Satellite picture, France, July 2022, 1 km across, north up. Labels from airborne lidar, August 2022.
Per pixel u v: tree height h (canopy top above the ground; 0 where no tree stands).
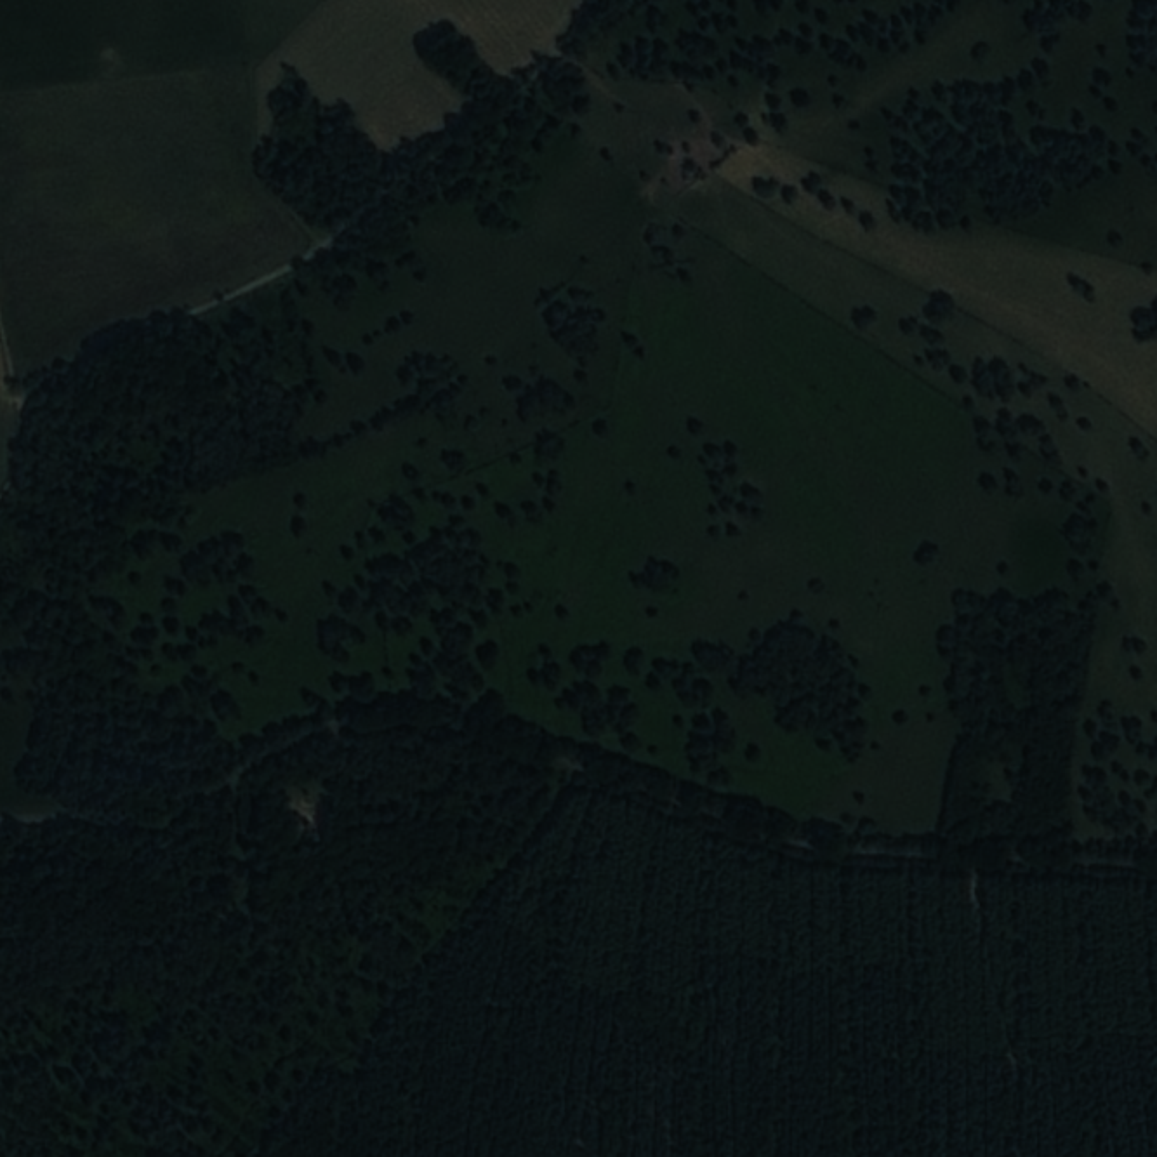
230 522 0
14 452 16
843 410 0
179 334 23
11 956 23
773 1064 10
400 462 0
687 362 0
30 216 0
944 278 0
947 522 0
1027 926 19
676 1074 14
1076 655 13
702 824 14
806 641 18
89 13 0
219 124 0
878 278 0
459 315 0
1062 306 0
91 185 0
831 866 20
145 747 29
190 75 0
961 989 22
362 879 22
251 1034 13
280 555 0
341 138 21
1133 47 15
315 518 0
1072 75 0
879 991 15
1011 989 18
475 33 0
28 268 0
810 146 0
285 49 0
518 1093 18
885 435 0
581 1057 14
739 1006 12
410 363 13
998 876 19
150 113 0
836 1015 16
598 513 0
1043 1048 18
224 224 0
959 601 14
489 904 13
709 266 0
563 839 21
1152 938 19
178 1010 14
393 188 16
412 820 20
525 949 11
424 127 0
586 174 0
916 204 18
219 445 29
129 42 0
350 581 0
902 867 20
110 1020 21
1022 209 20
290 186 27
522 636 0
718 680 0
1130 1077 14
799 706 17
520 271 0
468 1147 16
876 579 0
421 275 21
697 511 0
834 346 0
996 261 0
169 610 12
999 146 19
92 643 20
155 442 10
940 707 0
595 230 0
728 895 21
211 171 0
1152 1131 19
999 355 0
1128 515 0
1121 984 21
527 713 0
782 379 0
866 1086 13
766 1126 14
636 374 0
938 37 0
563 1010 15
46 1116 8
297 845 31
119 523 6
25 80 0
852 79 0
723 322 0
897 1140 15
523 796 19
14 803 0
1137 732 16
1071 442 0
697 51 19
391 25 0
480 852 21
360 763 19
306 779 8
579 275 0
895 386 0
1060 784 14
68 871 26
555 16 0
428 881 13
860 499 0
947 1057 18
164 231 0
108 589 0
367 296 0
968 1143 13
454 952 14
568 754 12
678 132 0
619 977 17
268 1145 19
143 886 26
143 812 24
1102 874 10
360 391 0
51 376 12
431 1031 16
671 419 0
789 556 0
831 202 16
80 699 22
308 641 0
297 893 15
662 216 0
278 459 9
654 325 0
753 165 0
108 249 0
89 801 36
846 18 0
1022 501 9
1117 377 0
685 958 20
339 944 16
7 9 0
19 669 12
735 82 13
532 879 18
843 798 0
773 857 16
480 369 0
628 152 0
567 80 17
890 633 0
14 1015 23
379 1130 22
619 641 0
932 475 0
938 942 21
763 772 0
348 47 0
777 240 0
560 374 0
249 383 22
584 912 20
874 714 0
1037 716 16
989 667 15
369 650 0
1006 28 0
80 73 0
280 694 0
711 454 14
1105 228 0
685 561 0
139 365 22
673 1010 15
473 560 11
